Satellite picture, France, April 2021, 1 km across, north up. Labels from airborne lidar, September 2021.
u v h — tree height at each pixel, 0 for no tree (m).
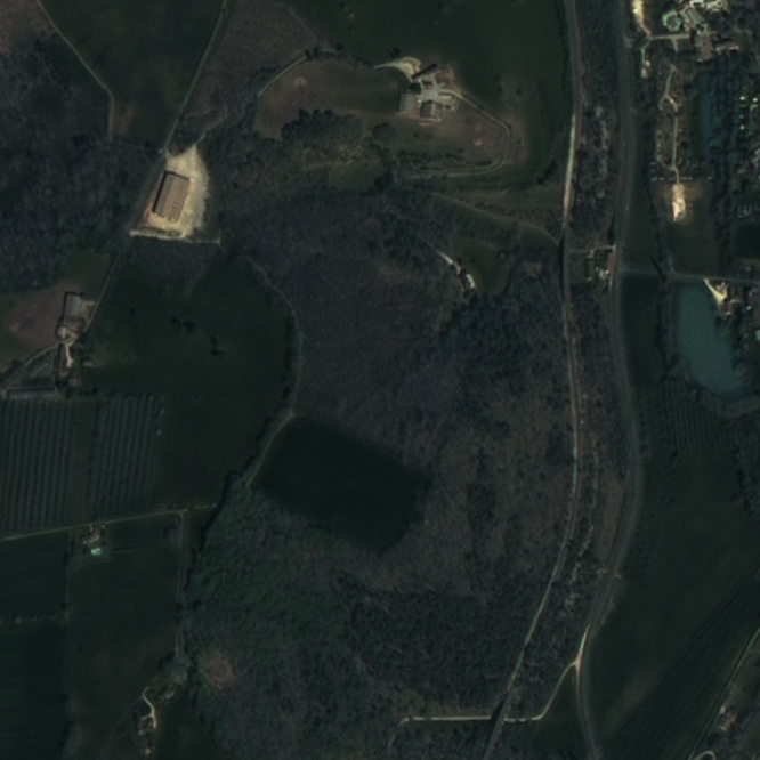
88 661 0
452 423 13
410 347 7
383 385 12
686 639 0
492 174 0
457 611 16
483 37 0
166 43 0
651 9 14
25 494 11
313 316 10
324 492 0
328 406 6
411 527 20
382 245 11
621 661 0
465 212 6
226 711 21
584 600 10
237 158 6
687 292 0
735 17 13
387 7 0
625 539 0
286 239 19
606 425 14
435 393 20
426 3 0
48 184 11
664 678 0
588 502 8
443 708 17
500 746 18
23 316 0
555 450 19
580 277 0
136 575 0
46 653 0
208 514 0
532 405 14
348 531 0
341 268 8
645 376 0
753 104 9
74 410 9
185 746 0
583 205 8
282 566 19
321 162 18
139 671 0
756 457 0
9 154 7
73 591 0
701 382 0
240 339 0
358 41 0
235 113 19
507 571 17
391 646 23
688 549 0
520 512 14
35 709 0
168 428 0
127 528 0
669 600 0
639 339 0
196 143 15
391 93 0
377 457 0
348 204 11
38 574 0
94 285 0
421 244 19
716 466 0
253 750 18
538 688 17
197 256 18
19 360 0
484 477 18
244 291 0
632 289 0
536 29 0
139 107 0
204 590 24
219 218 12
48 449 11
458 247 0
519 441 9
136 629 0
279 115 0
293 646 20
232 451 0
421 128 0
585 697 0
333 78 0
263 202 15
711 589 0
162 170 0
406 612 24
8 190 6
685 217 0
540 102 0
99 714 0
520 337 16
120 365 0
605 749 0
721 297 0
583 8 12
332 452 0
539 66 0
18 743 0
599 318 12
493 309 20
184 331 17
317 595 22
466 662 19
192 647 14
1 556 0
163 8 0
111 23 0
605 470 8
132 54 0
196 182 0
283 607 24
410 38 0
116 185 20
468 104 0
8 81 9
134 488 8
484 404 13
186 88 0
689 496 0
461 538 14
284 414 19
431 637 21
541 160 0
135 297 0
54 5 0
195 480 0
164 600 0
